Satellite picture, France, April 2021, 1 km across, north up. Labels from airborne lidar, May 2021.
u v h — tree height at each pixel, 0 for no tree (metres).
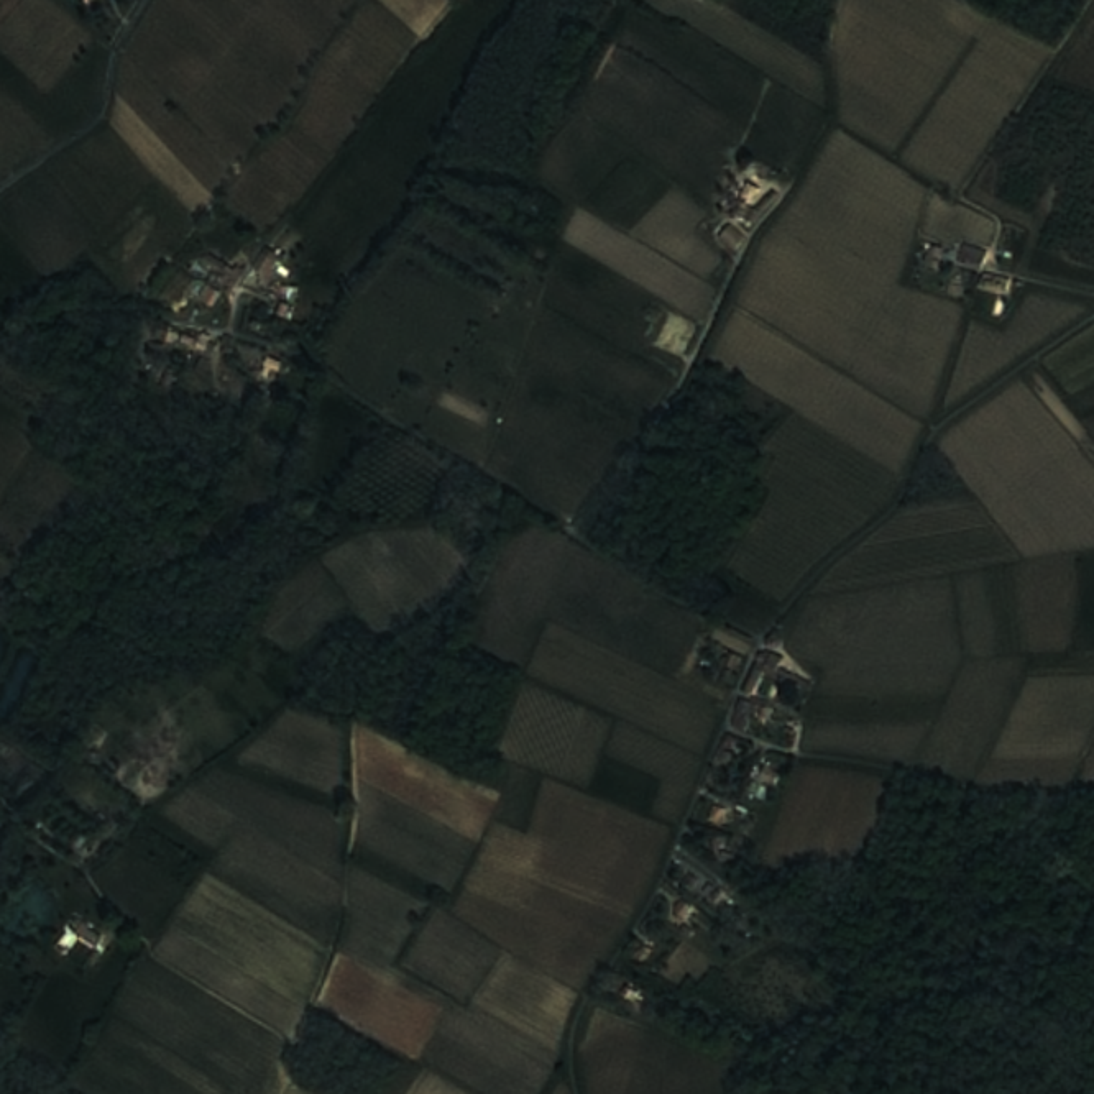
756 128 0
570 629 0
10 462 0
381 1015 0
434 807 0
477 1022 0
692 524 22
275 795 0
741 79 0
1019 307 0
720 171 0
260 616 12
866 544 0
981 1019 22
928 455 11
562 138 0
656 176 0
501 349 0
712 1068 0
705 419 21
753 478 17
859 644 0
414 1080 0
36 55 0
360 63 0
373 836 0
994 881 23
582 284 0
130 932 21
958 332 0
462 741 18
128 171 0
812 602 0
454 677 19
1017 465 0
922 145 0
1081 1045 23
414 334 0
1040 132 6
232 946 0
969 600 0
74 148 0
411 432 9
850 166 0
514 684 12
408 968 0
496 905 0
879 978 19
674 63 0
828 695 0
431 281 0
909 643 0
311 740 0
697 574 21
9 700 0
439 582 0
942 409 0
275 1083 0
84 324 20
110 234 0
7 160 0
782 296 0
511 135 23
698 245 0
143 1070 0
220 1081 0
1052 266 0
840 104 0
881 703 0
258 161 0
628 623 0
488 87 24
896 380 0
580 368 0
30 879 14
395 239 18
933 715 0
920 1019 30
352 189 0
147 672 15
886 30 0
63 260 0
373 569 0
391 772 0
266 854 0
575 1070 0
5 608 23
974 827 22
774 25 7
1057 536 0
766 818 0
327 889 0
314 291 0
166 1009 0
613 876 0
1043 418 0
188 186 0
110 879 0
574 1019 0
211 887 0
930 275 0
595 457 0
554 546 0
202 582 21
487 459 0
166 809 0
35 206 0
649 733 0
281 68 0
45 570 22
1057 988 20
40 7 0
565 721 0
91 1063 0
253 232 15
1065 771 0
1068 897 22
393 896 0
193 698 0
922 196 0
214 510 24
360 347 0
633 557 14
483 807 0
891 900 26
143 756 0
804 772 0
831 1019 17
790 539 0
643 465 16
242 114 0
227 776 0
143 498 25
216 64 0
